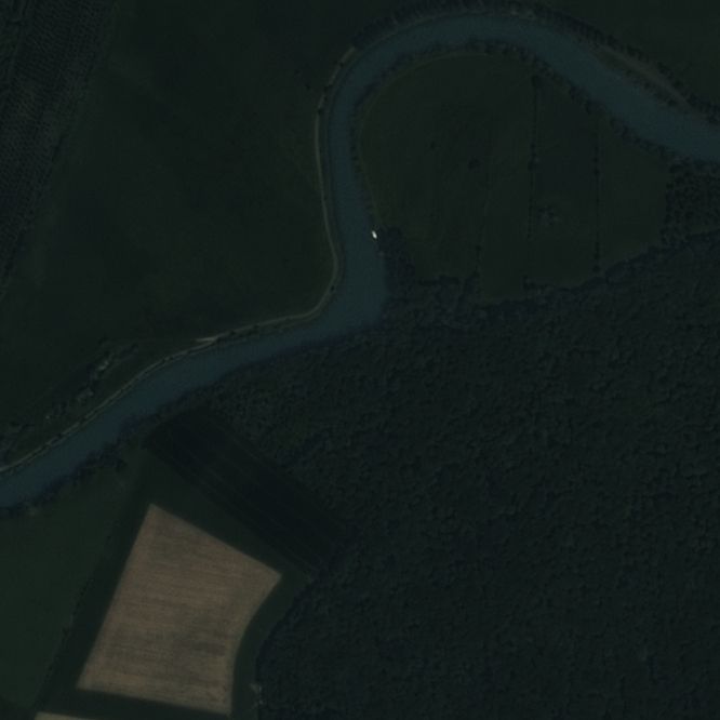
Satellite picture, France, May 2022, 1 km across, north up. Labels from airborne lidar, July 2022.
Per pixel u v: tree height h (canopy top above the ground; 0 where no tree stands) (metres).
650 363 24
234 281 0
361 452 24
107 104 0
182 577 0
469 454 25
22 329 0
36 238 0
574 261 0
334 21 0
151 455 0
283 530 0
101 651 0
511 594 26
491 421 27
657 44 0
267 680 20
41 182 12
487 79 0
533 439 23
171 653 0
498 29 0
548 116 0
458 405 26
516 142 0
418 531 26
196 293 0
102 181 0
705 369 26
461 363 24
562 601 24
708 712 25
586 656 30
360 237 0
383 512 29
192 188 0
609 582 27
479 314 26
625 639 29
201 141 0
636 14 0
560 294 19
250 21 0
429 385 24
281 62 0
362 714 25
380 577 27
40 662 0
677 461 24
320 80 0
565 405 22
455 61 0
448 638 22
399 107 0
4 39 28
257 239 0
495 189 0
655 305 28
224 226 0
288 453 6
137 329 0
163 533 0
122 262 0
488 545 30
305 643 22
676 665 31
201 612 0
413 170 0
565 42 0
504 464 20
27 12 13
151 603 0
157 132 0
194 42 0
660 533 26
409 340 27
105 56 0
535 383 22
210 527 0
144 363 0
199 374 0
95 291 0
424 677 28
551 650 28
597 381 22
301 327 0
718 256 29
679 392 25
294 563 0
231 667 0
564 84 13
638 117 0
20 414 0
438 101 0
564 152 0
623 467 25
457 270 0
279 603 0
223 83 0
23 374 0
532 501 32
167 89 0
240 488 0
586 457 30
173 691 0
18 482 0
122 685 0
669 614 30
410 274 30
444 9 26
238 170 0
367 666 26
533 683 31
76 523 0
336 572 20
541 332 20
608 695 26
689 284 25
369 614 26
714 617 25
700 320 23
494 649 24
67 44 13
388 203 0
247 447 0
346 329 0
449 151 0
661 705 25
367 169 0
